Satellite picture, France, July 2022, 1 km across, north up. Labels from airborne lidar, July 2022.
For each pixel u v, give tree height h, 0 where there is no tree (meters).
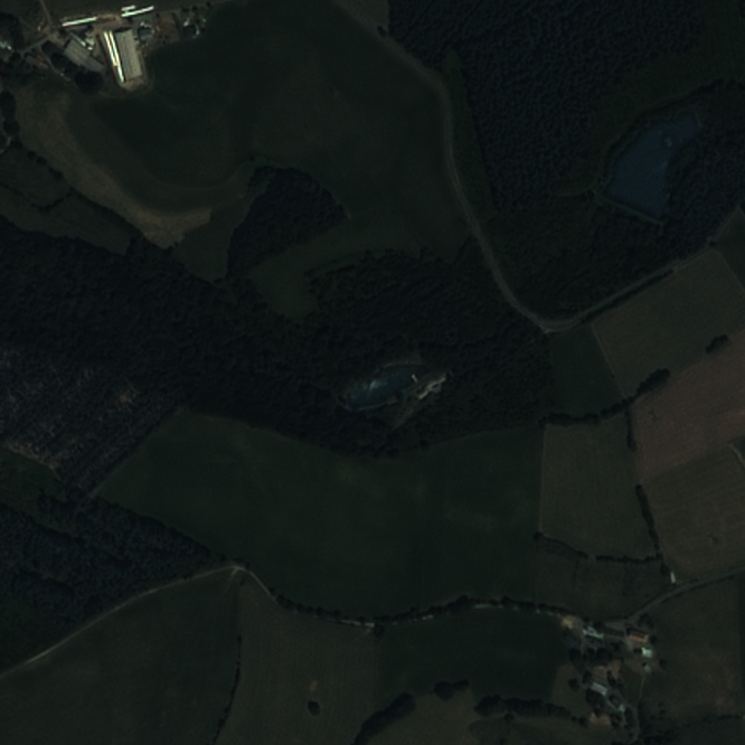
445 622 0
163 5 0
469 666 0
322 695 0
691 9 26
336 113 0
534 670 0
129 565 26
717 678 0
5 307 25
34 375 16
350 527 0
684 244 25
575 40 22
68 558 29
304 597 0
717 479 0
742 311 0
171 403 20
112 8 0
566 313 6
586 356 0
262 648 0
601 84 26
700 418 0
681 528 0
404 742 0
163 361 20
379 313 9
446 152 0
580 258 7
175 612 0
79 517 32
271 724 0
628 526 0
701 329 0
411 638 0
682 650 0
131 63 0
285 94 0
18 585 24
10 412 19
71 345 18
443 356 20
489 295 7
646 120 13
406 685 0
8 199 0
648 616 8
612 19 26
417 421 6
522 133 26
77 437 18
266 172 14
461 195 0
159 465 0
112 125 0
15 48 8
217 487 0
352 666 0
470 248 8
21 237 24
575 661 17
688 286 0
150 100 0
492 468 0
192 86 0
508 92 29
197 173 0
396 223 0
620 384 0
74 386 17
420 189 0
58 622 23
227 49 0
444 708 0
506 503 0
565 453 0
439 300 7
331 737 0
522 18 28
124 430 23
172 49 0
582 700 0
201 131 0
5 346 18
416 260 7
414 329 6
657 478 0
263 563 0
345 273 11
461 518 0
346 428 24
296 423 20
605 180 6
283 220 26
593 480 0
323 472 0
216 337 23
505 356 15
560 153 24
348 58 0
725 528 0
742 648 0
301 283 0
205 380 29
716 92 18
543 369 7
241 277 21
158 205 0
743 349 0
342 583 0
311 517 0
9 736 0
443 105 0
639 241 16
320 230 16
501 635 0
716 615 0
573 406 0
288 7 0
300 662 0
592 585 0
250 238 23
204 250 0
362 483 0
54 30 0
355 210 0
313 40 0
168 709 0
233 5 0
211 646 0
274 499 0
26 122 0
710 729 0
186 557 26
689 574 0
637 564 9
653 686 0
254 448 0
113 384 20
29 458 0
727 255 0
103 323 24
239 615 0
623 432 0
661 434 0
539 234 8
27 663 0
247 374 28
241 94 0
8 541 23
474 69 29
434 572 0
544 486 0
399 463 0
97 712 0
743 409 0
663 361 0
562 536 0
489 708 21
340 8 0
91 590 8
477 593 0
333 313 6
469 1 15
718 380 0
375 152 0
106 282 26
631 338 0
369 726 16
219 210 0
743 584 0
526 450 0
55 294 27
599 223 11
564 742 0
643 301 0
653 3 27
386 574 0
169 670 0
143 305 24
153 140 0
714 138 17
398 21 14
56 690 0
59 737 0
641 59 27
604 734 0
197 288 20
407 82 0
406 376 0
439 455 0
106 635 0
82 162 0
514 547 0
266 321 7
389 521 0
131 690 0
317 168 0
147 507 0
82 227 0
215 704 0
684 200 22
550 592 0
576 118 28
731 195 22
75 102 0
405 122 0
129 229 13
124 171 0
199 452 0
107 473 15
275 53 0
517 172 29
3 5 0
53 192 0
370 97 0
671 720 0
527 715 12
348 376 22
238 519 0
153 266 13
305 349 10
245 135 0
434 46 20
